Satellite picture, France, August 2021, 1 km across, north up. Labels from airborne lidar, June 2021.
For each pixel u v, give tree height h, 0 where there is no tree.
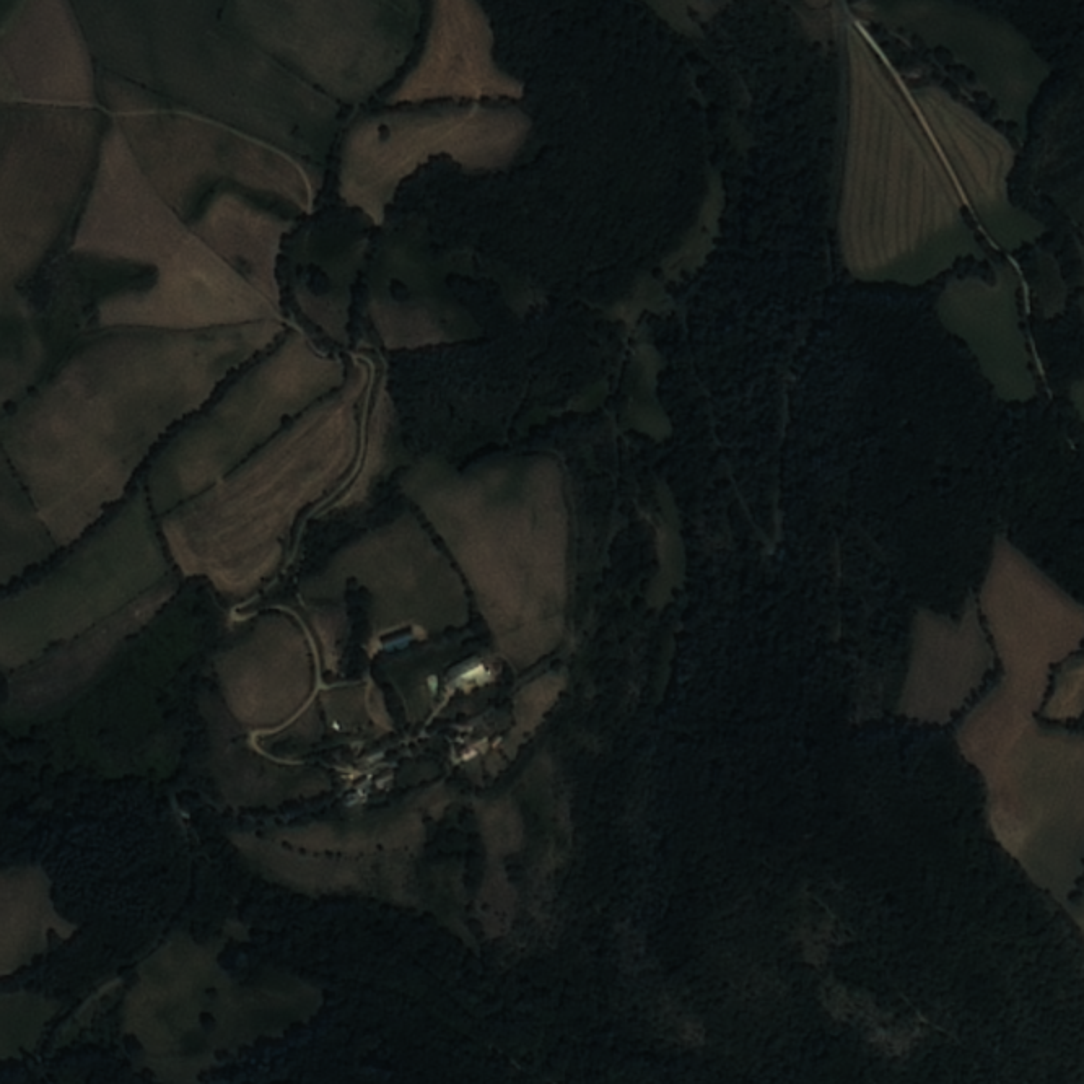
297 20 0
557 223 16
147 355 0
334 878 0
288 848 7
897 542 17
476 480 0
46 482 0
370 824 0
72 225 0
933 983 7
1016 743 0
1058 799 0
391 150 0
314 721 0
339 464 0
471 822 15
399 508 15
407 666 0
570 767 6
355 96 0
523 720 0
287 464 0
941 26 0
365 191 0
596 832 8
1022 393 0
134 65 0
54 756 14
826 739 15
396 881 0
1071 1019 9
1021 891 9
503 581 0
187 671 12
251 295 0
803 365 13
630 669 12
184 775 12
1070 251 18
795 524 12
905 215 0
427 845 8
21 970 10
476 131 0
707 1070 19
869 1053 8
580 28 18
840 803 17
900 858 16
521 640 0
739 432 10
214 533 0
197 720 10
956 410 19
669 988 7
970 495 15
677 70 19
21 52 0
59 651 12
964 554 11
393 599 0
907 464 20
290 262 12
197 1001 0
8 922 0
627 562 12
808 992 11
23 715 0
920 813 19
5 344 0
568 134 15
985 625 10
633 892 11
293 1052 18
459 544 0
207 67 0
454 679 0
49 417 0
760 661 13
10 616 0
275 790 0
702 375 14
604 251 15
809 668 17
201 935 17
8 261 0
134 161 0
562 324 18
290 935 21
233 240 0
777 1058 11
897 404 20
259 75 0
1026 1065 6
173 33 0
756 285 15
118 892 21
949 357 18
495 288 12
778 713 14
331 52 0
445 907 0
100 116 0
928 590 19
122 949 11
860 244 0
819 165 8
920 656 0
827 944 7
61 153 0
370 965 14
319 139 0
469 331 0
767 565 13
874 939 9
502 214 18
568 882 10
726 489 16
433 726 7
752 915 6
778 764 14
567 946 10
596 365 13
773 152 9
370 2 0
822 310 18
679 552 0
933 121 0
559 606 0
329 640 0
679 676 19
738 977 8
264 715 0
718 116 21
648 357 0
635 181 19
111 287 0
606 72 17
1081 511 9
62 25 0
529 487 0
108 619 0
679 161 16
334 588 0
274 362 0
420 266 0
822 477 17
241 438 0
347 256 0
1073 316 10
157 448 9
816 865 13
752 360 17
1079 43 24
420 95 0
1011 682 0
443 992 20
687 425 17
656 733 10
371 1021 18
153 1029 0
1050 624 0
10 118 0
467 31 0
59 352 0
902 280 0
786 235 9
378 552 0
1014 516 10
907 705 0
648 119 18
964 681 0
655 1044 16
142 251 0
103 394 0
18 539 0
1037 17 24
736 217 9
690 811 13
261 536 0
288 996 0
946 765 18
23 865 11
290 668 0
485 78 0
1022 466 17
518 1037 17
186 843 14
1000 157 0
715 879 6
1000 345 0
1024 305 11
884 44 8
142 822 22
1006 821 0
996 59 0
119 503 7
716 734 13
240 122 0
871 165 0
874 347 19
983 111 11
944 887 14
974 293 0
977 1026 6
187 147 0
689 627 16
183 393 0
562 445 9
